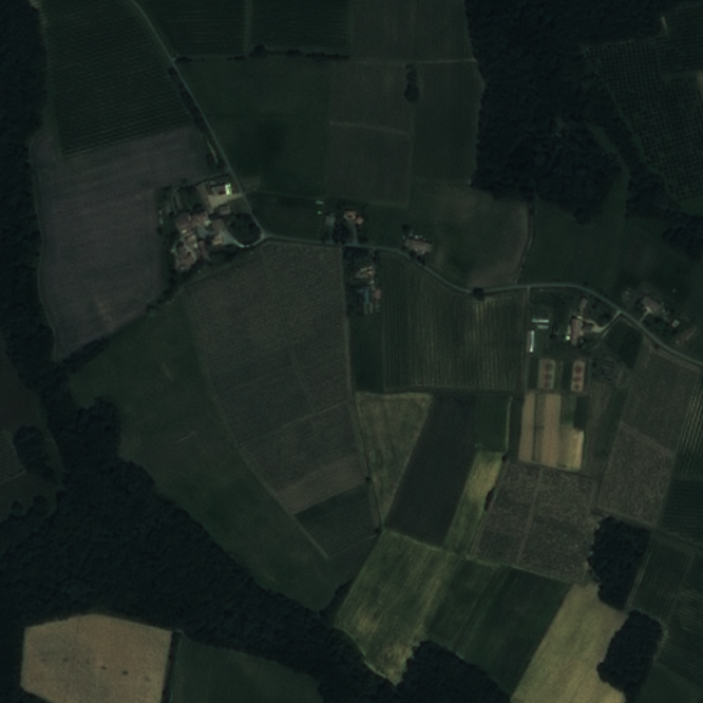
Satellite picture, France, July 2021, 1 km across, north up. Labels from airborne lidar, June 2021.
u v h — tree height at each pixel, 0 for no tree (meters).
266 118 0
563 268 0
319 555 0
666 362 0
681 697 0
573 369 0
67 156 0
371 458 0
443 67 0
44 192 0
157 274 0
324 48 0
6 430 0
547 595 0
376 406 0
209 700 0
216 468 0
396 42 0
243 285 0
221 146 0
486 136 19
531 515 0
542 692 0
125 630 0
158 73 0
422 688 26
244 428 0
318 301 0
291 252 0
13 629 16
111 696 0
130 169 0
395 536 0
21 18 23
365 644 0
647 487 0
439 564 0
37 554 24
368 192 0
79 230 0
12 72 30
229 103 0
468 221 0
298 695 0
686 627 0
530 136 15
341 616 0
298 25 0
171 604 19
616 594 13
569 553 0
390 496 0
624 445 0
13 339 17
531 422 0
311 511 0
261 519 0
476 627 0
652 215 6
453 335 0
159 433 0
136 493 30
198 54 0
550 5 22
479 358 0
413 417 0
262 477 0
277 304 0
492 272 0
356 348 0
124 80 0
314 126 0
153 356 0
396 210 0
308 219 0
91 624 0
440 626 0
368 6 0
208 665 0
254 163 0
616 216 0
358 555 0
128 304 0
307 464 0
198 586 23
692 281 0
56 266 0
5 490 0
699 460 0
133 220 0
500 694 18
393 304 0
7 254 25
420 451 0
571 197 27
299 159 0
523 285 0
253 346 0
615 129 18
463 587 0
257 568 0
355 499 0
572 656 0
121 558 22
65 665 0
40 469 17
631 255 0
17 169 24
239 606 19
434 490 0
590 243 0
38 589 16
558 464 0
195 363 0
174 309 0
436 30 0
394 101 0
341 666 22
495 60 22
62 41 0
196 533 21
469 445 0
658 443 0
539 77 18
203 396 0
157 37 0
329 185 0
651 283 0
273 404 0
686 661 0
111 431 27
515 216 0
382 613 0
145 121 0
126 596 22
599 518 0
